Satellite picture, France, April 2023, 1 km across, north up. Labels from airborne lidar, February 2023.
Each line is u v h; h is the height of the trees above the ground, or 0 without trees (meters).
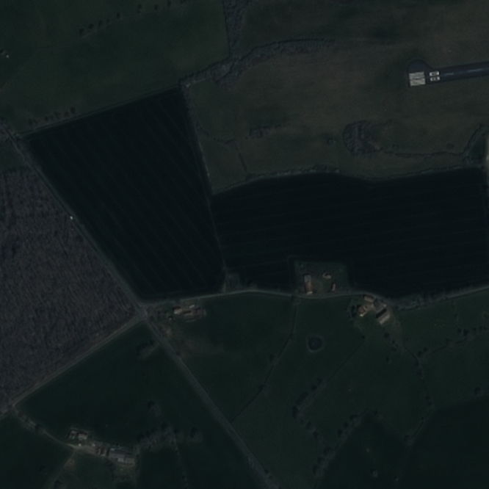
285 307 0
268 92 0
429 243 0
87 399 0
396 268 0
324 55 0
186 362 0
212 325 0
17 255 20
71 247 23
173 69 0
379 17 0
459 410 0
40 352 22
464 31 0
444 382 0
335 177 0
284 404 0
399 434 0
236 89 0
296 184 0
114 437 0
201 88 0
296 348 0
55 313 19
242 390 0
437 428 0
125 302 21
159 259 0
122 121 0
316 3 0
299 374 0
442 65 0
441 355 0
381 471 0
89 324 21
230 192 0
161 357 0
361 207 0
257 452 0
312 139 0
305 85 0
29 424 14
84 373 0
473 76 0
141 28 0
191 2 8
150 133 0
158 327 14
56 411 0
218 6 0
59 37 0
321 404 0
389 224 0
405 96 0
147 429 0
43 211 21
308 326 0
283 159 0
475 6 0
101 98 0
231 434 0
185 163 0
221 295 0
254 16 0
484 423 0
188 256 0
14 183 19
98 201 0
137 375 0
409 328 0
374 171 0
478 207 0
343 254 0
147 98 0
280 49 6
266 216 0
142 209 0
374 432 0
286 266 0
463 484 0
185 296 0
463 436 0
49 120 14
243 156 0
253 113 0
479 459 0
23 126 0
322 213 0
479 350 0
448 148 0
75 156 0
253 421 0
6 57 0
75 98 0
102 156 0
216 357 0
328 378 0
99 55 0
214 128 0
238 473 0
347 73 0
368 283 0
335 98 0
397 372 0
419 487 0
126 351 0
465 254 0
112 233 0
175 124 0
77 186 0
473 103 0
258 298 0
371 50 0
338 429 0
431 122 0
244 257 0
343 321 0
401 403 0
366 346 0
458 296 0
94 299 23
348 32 0
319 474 18
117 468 0
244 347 0
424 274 0
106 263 0
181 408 0
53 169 0
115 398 0
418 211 0
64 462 0
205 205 0
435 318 0
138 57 0
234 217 0
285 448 0
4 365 20
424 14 0
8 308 24
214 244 0
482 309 0
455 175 0
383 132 0
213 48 0
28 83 0
